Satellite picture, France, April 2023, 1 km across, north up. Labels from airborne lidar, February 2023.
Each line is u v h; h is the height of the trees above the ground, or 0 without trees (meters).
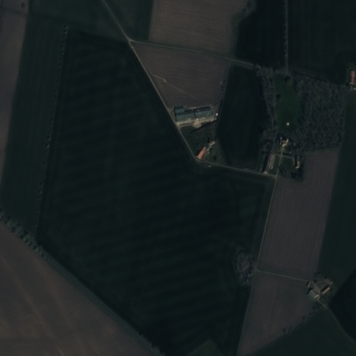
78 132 0
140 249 0
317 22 0
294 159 0
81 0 0
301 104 0
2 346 0
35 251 14
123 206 0
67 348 0
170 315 0
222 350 0
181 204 0
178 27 0
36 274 0
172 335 0
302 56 0
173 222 0
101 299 0
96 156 0
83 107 0
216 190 0
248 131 0
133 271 0
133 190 0
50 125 8
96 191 0
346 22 0
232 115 0
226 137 0
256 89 0
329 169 0
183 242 0
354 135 0
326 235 0
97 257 0
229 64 0
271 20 0
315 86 23
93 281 0
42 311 0
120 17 0
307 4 0
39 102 0
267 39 0
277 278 0
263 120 0
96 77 0
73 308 0
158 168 0
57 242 0
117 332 0
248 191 0
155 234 0
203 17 0
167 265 0
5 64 0
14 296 0
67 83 0
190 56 0
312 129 24
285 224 0
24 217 0
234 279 0
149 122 0
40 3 0
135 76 0
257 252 0
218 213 0
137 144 0
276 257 0
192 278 0
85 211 0
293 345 0
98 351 0
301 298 0
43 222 0
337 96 7
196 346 0
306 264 0
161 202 0
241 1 0
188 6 0
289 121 0
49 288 0
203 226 0
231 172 0
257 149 0
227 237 0
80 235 0
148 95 0
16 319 0
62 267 0
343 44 0
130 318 0
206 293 0
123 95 0
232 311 0
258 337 0
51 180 0
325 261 0
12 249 0
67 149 0
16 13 0
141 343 0
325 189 0
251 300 0
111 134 0
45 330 0
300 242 0
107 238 0
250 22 0
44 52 0
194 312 0
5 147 0
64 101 0
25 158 0
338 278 0
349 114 0
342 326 0
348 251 0
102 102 0
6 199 0
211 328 0
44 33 0
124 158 0
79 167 0
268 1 0
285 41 9
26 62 0
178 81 0
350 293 0
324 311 0
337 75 0
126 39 0
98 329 0
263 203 0
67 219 0
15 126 0
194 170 0
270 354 0
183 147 0
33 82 0
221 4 0
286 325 0
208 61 0
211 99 0
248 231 0
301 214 0
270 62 0
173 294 0
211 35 0
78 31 0
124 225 0
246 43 0
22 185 0
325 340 0
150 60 0
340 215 0
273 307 0
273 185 0
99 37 0
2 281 0
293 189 0
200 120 0
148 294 0
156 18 0
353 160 0
